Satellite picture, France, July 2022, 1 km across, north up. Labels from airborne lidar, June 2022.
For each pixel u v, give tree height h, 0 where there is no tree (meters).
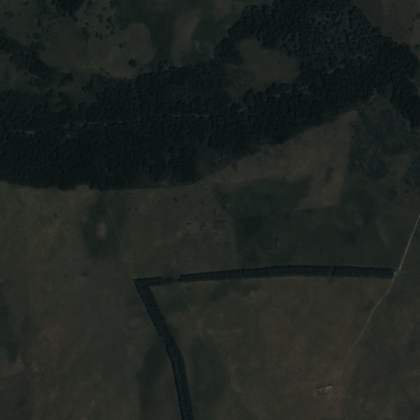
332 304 0
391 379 0
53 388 0
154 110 7
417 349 0
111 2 10
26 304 0
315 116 12
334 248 0
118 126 11
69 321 0
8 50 11
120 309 0
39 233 0
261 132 14
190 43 0
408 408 0
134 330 0
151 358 0
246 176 0
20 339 0
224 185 0
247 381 0
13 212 0
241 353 0
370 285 0
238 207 0
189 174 16
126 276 0
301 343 0
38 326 0
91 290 0
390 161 0
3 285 0
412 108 17
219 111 12
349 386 0
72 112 12
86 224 0
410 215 0
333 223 0
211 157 0
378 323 0
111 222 0
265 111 10
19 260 0
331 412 0
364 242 0
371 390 0
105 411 0
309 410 0
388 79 13
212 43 0
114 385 0
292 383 0
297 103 7
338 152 0
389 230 0
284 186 0
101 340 0
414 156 0
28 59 9
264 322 0
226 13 0
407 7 0
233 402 0
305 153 0
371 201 0
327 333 0
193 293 0
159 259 0
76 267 0
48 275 0
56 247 0
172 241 0
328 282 0
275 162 0
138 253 0
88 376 0
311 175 0
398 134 0
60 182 13
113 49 0
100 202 0
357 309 0
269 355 0
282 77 0
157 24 0
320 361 0
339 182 0
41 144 16
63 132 10
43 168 15
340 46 13
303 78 10
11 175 11
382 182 0
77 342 0
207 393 0
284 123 15
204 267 0
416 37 0
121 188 9
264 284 0
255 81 0
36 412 0
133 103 10
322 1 14
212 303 0
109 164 12
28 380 0
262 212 0
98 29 0
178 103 14
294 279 0
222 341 0
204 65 11
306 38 20
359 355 0
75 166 15
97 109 11
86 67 0
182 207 0
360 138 0
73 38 0
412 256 0
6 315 0
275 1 17
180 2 0
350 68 11
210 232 0
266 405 0
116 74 0
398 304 0
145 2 0
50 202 0
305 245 0
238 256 0
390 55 14
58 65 0
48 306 0
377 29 12
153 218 0
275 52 0
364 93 13
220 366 0
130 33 0
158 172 14
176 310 0
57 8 7
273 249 0
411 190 0
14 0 0
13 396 0
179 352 15
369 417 0
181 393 17
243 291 0
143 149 15
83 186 0
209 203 0
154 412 0
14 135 9
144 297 18
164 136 12
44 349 0
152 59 0
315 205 0
